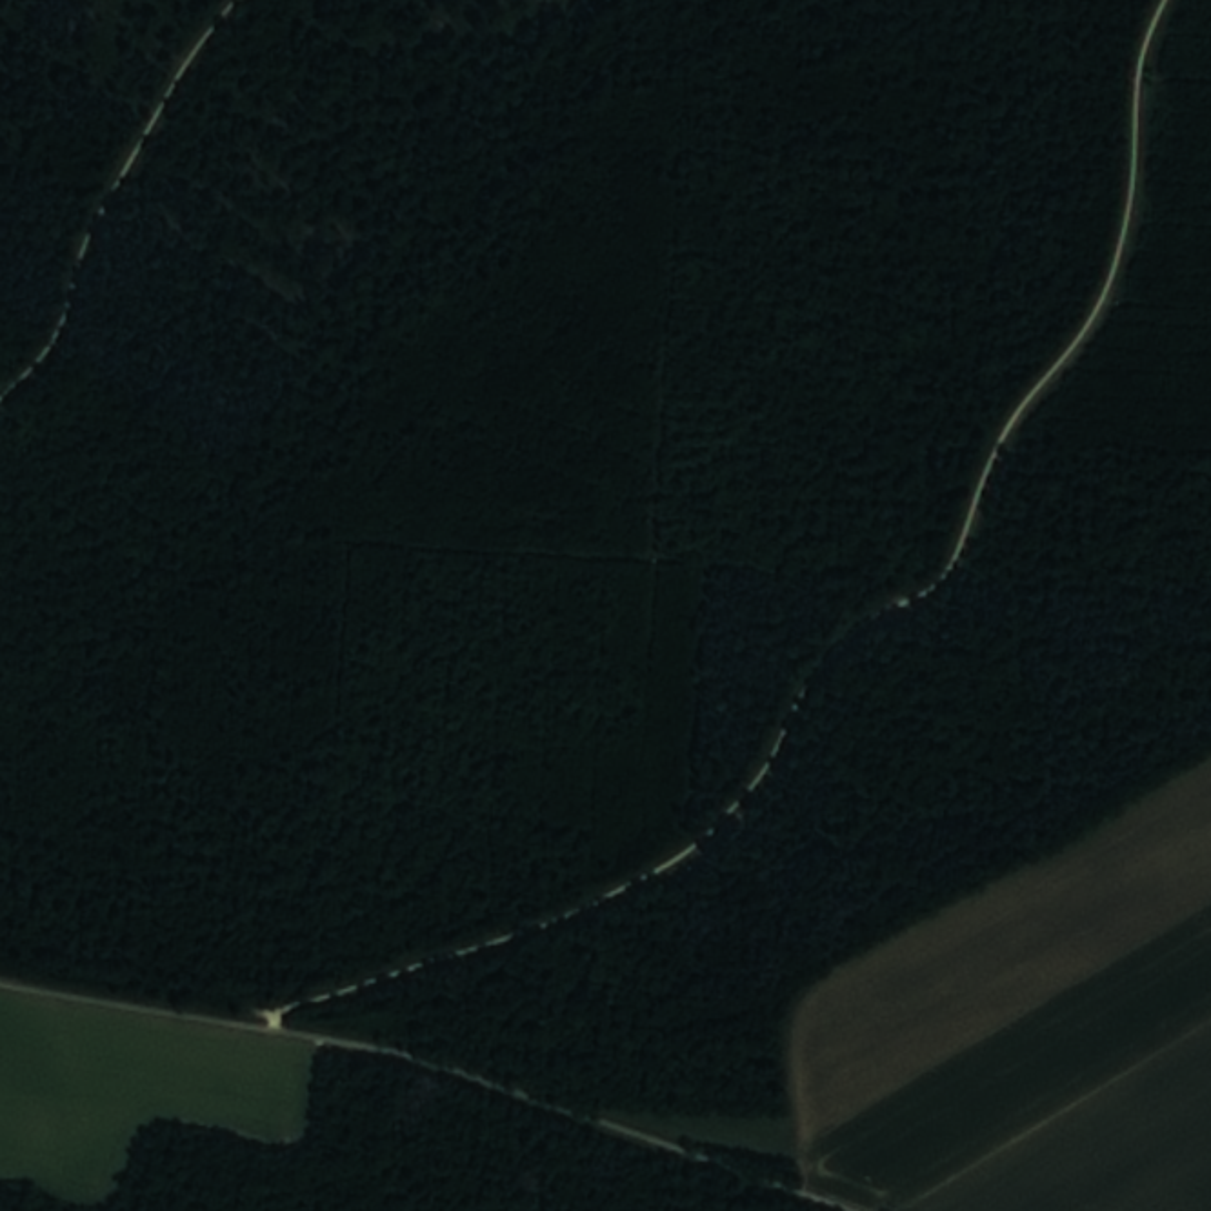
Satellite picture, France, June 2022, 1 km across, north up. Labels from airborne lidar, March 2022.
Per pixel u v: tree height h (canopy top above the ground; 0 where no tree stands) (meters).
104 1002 0
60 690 17
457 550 0
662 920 21
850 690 11
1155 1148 0
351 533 0
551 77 0
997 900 0
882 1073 0
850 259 16
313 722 0
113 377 22
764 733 21
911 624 19
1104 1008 0
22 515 17
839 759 13
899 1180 0
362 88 0
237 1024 0
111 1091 0
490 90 18
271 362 19
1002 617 17
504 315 0
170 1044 0
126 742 0
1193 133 0
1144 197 0
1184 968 0
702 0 0
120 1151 0
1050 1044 0
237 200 22
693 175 0
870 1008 0
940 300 21
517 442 0
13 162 16
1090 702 15
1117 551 0
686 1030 17
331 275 0
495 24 0
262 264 0
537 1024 0
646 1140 0
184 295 20
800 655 19
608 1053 20
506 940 0
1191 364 0
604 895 0
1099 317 0
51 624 20
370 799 17
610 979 0
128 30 0
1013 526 0
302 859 0
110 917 16
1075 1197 0
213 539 21
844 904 28
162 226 14
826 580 21
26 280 23
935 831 18
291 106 0
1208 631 14
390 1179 22
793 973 17
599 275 0
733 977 21
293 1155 17
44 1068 0
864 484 21
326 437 20
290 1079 0
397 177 14
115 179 0
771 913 23
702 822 19
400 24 0
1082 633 18
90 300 21
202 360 17
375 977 0
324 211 0
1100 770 15
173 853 20
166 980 18
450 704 0
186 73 0
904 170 18
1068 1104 0
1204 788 0
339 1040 0
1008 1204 0
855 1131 0
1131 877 0
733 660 22
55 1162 0
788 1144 0
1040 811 25
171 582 0
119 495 0
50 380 17
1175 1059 0
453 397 0
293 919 0
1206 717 18
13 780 9
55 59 0
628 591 0
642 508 0
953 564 0
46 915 19
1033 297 0
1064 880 0
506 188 24
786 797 17
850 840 18
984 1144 0
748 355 0
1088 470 0
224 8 0
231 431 21
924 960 0
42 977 7
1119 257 0
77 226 14
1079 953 0
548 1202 0
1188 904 0
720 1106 20
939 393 0
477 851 18
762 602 22
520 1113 17
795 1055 0
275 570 13
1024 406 0
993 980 0
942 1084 0
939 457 21
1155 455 0
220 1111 0
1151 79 0
